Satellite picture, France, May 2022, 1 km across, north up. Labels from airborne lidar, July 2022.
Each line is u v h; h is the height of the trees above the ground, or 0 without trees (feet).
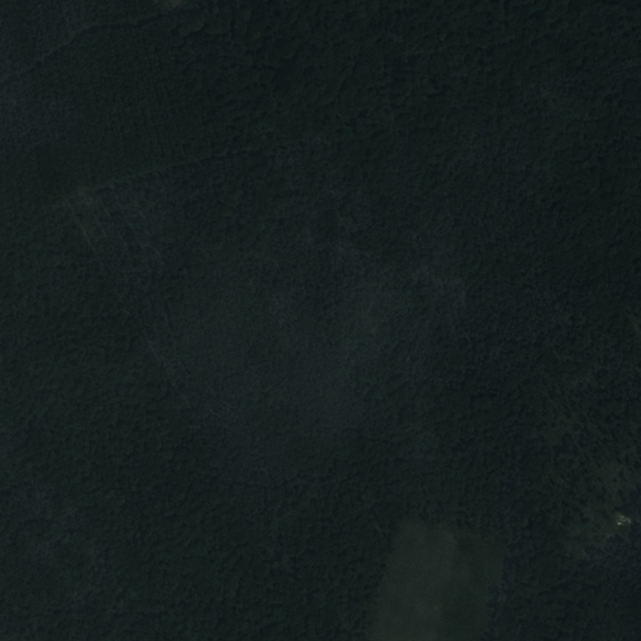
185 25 94
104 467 85
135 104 52
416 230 81
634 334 83
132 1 53
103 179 41
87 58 45
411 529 0
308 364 69
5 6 80
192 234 82
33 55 69
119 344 70
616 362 66
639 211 92
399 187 63
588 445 64
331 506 76
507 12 83
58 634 83
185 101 58
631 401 65
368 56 89
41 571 88
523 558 83
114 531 62
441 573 0
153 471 76
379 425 74
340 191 73
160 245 76
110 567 57
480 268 90
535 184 72
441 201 81
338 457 85
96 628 60
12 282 75
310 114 74
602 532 78
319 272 55
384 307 74
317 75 101
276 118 84
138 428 68
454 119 53
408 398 73
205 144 40
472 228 84
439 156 56
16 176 63
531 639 102
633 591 83
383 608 0
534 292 71
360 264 74
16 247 61
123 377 90
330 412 73
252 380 63
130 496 89
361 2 90
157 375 74
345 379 54
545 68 79
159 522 88
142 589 82
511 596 93
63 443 64
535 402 80
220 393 74
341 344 76
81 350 86
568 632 74
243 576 62
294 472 55
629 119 96
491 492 68
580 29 95
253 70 94
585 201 80
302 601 97
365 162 82
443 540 0
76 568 77
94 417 79
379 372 76
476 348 71
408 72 57
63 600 57
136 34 48
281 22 98
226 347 70
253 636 103
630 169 81
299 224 77
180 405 64
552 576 71
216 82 68
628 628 70
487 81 92
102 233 46
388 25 99
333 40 82
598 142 82
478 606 0
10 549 72
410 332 77
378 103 76
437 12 77
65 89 59
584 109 82
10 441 64
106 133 57
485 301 66
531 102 67
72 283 76
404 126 65
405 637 0
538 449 68
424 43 81
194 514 96
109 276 77
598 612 76
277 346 52
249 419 72
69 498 69
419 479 61
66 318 86
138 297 60
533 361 71
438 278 69
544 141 85
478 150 58
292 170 75
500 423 85
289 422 73
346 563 34
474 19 92
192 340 54
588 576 75
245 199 62
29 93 76
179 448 79
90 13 53
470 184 75
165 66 56
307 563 82
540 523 82
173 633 88
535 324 80
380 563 65
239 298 64
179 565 77
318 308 71
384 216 63
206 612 82
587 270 83
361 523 86
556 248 87
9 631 39
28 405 78
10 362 89
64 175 57
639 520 52
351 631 25
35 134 66
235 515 77
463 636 0
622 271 75
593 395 70
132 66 56
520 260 73
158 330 57
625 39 83
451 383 57
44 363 71
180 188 74
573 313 66
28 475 58
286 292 72
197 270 86
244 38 90
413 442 65
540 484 79
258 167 77
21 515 88
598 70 72
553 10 91
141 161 50
